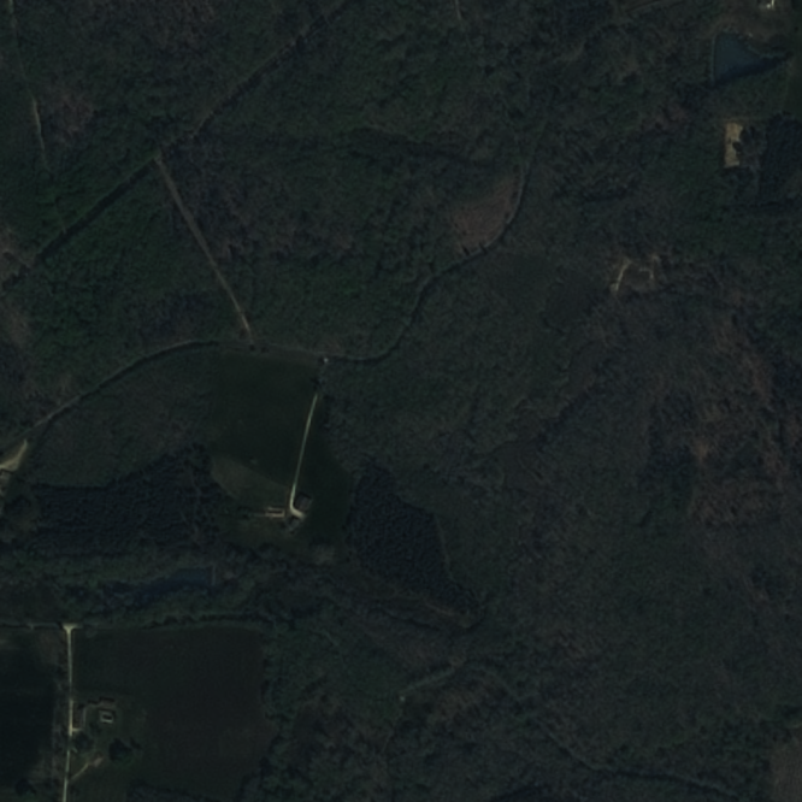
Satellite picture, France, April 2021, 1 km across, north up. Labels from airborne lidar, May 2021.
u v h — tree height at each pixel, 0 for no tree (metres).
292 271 20
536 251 15
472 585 11
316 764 23
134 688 0
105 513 15
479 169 19
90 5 20
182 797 16
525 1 22
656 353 16
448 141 6
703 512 12
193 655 0
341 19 17
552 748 14
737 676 20
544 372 14
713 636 18
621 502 14
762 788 8
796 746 18
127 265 18
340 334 15
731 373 15
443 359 19
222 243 14
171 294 19
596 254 20
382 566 14
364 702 21
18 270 18
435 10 27
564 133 21
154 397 11
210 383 12
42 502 9
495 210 0
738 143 0
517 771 20
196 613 20
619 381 18
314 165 21
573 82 12
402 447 24
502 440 22
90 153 21
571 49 16
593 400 16
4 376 11
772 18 0
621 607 13
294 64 20
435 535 16
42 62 23
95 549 11
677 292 14
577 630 15
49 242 18
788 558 14
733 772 10
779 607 11
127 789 0
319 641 15
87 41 22
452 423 26
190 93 13
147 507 12
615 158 7
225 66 23
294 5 17
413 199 16
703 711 16
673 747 9
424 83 17
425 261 10
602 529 16
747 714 18
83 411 10
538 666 18
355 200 17
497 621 13
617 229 19
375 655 17
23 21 18
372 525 14
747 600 13
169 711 0
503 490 13
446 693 19
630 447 14
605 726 11
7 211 16
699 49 16
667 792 21
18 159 12
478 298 21
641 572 18
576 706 18
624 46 16
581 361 9
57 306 23
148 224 18
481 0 16
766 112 12
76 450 11
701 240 18
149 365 14
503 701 14
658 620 17
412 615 12
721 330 13
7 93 15
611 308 13
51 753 0
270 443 0
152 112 16
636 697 15
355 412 24
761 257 16
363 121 15
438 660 12
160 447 10
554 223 23
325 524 0
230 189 15
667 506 17
